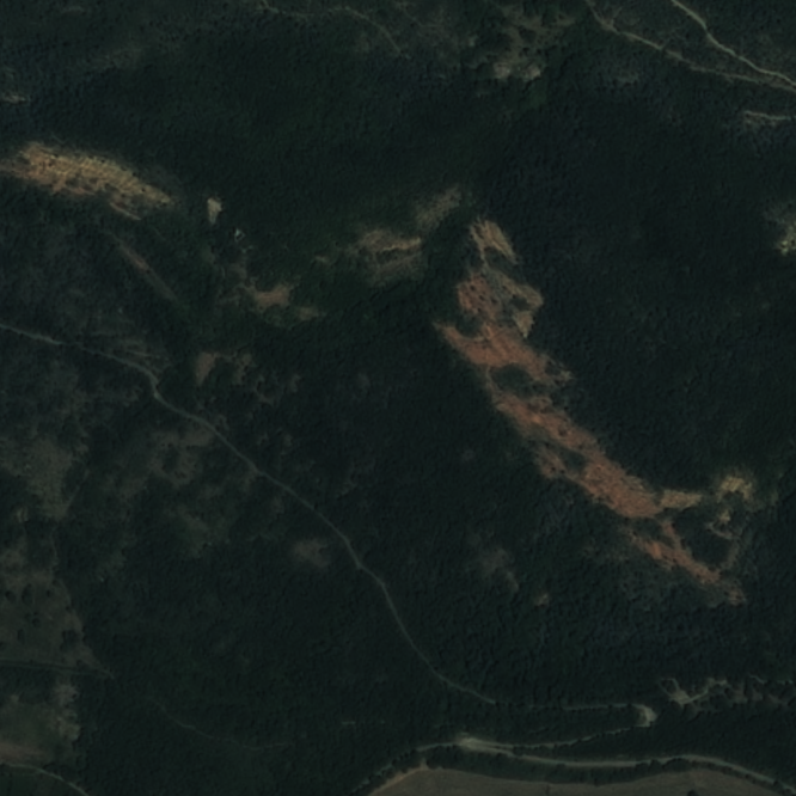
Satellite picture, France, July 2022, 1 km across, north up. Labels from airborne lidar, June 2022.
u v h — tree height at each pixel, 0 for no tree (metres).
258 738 10
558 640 17
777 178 12
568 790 0
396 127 10
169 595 12
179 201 6
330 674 8
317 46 10
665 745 13
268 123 12
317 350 10
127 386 8
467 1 13
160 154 8
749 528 12
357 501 13
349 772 12
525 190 8
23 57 10
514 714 11
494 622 11
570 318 10
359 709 11
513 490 17
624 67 8
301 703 8
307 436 14
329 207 9
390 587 7
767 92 6
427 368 12
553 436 0
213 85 7
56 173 0
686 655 11
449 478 12
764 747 14
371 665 9
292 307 9
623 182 8
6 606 0
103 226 9
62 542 8
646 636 12
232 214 8
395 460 10
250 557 11
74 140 6
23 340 9
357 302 10
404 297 13
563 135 7
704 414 8
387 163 12
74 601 8
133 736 11
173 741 8
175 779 8
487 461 12
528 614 11
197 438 0
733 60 7
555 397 7
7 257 9
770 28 10
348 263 9
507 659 17
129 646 6
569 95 12
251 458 6
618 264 8
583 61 10
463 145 12
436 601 11
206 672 10
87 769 11
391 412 8
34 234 11
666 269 9
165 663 8
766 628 10
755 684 8
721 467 7
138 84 10
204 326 8
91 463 10
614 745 13
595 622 18
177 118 10
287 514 8
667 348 11
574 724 9
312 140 9
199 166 10
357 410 10
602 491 0
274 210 12
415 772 0
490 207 8
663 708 12
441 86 11
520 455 9
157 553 9
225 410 10
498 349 0
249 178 12
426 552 7
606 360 8
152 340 6
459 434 10
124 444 10
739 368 9
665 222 9
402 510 15
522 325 0
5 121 9
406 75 13
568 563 12
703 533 7
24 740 0
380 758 12
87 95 10
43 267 7
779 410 15
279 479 8
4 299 7
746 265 10
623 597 9
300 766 14
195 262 7
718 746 15
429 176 8
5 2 10
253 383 7
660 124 11
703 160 11
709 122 12
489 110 7
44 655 0
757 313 8
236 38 9
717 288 11
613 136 11
